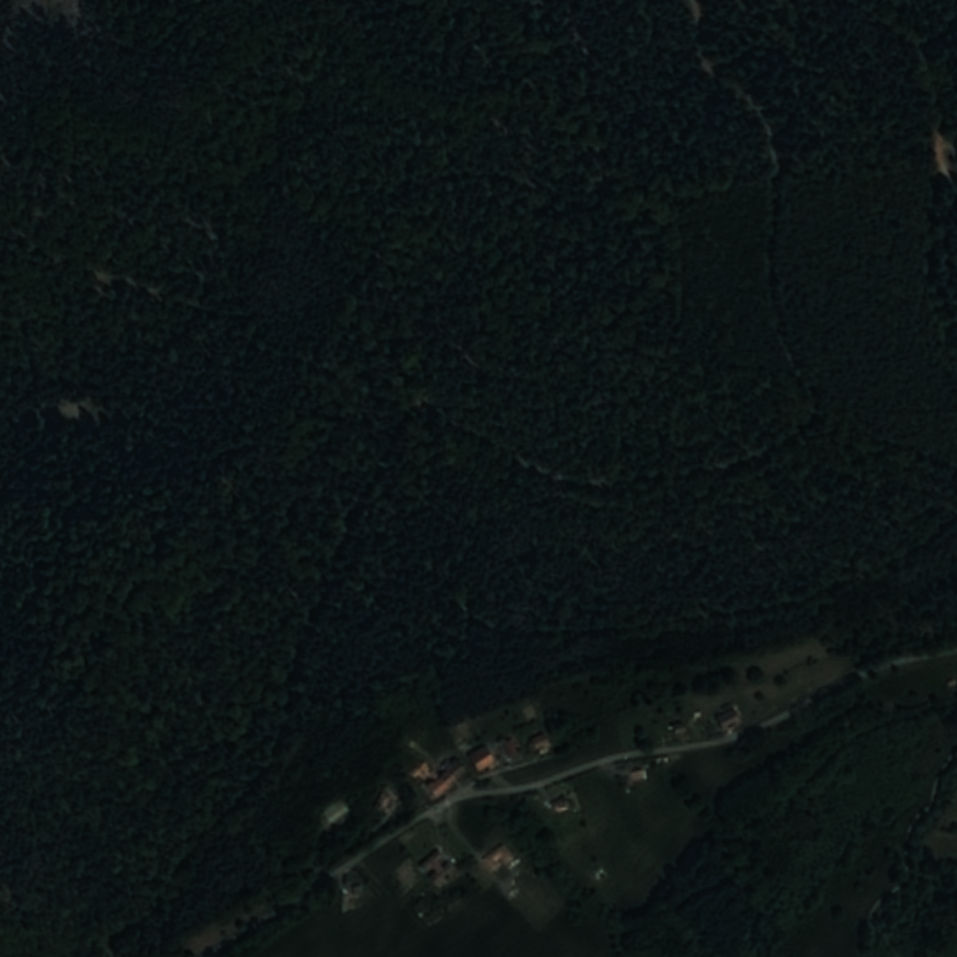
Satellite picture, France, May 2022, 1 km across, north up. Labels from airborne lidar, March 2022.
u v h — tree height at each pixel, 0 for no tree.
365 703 28
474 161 14
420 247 28
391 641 35
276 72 22
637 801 0
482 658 34
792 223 24
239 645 34
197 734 36
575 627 26
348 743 23
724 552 29
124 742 31
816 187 16
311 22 18
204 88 9
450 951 0
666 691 14
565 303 21
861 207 18
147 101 18
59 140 22
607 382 16
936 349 18
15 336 17
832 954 0
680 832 0
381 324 29
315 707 20
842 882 0
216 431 30
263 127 22
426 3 23
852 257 19
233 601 25
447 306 29
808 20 25
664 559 27
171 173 18
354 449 33
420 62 14
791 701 0
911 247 21
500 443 21
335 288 20
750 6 24
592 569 32
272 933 21
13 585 18
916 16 26
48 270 23
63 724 24
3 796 21
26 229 20
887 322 18
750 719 0
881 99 21
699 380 23
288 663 33
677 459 23
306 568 32
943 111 19
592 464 21
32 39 22
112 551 31
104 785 28
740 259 12
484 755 0
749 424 25
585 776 0
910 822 0
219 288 23
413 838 0
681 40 32
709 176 30
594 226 30
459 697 30
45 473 31
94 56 24
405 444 28
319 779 20
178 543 26
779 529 29
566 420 18
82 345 11
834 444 18
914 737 14
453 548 32
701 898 20
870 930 21
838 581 7
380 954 0
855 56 27
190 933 16
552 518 21
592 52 35
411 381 35
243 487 27
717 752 0
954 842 0
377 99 18
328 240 25
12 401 22
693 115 29
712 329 20
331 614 35
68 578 27
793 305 19
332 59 25
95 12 22
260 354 23
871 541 27
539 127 29
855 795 0
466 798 0
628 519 24
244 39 25
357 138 26
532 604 32
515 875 0
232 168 26
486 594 28
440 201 28
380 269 28
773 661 0
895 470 28
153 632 30
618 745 0
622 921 14
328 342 21
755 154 31
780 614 31
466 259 14
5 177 16
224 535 31
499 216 25
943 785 16
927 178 14
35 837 21
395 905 0
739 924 18
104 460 11
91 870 31
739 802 21
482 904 0
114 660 31
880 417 25
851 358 21
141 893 23
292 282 26
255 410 21
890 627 13
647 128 33
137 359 12
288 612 39
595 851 0
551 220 30
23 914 25
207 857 30
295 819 22
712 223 13
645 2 32
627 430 25
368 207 18
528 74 25
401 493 10
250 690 33
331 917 0
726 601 29
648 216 24
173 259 18
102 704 30
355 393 29
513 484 20
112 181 21
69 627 28
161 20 17
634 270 32
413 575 33
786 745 0
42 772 21
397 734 22
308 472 6
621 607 22
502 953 0
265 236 24
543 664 31
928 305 11
